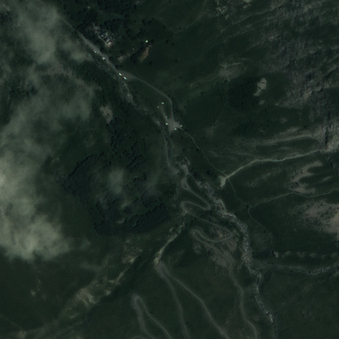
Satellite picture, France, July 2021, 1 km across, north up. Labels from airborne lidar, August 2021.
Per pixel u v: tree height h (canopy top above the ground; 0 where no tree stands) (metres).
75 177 17
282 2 0
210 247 0
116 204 18
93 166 20
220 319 0
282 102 0
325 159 0
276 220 0
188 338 0
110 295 0
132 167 19
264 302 0
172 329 0
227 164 0
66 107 0
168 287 0
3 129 0
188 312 0
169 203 0
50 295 0
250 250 0
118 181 9
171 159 5
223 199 0
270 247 0
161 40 0
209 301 0
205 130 0
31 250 0
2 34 7
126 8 14
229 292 0
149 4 0
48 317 0
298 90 0
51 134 0
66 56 10
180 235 0
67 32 7
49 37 16
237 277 0
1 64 0
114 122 10
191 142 0
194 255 0
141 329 0
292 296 0
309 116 0
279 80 0
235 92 7
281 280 0
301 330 0
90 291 0
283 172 0
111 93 8
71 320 0
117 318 0
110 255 0
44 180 0
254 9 0
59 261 0
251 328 0
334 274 0
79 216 0
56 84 7
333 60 0
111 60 12
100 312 0
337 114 0
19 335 0
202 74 0
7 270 0
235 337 0
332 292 0
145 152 0
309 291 0
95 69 0
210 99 0
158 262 0
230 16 0
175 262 0
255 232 0
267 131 0
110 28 19
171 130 0
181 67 0
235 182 0
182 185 0
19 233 0
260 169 0
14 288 0
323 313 0
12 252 0
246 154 0
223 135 0
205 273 0
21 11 0
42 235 0
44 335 0
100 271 0
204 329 0
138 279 0
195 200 0
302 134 0
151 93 0
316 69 0
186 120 0
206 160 0
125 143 0
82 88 7
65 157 0
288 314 0
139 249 0
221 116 0
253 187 0
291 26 0
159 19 0
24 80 0
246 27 0
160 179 0
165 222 15
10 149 0
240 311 0
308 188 0
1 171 0
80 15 17
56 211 0
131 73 0
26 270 0
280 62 0
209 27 0
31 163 0
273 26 0
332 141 0
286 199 0
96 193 0
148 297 0
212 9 0
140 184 20
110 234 13
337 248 0
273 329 0
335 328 0
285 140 0
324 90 0
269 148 0
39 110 0
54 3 0
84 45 7
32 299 0
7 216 0
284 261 0
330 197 0
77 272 0
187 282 0
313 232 0
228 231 0
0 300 0
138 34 13
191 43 0
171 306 0
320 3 0
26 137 0
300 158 0
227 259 0
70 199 0
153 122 0
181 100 0
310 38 0
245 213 0
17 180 0
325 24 0
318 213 0
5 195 0
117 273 0
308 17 0
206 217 9
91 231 0
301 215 0
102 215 10
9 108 7
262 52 0
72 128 0
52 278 0
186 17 0
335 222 0
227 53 0
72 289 0
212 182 0
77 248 0
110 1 19
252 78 8
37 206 0
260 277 0
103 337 0
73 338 0
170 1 9
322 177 0
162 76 0
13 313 0
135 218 23
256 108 0
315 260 0
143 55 0
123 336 0
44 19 6
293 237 0
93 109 10
